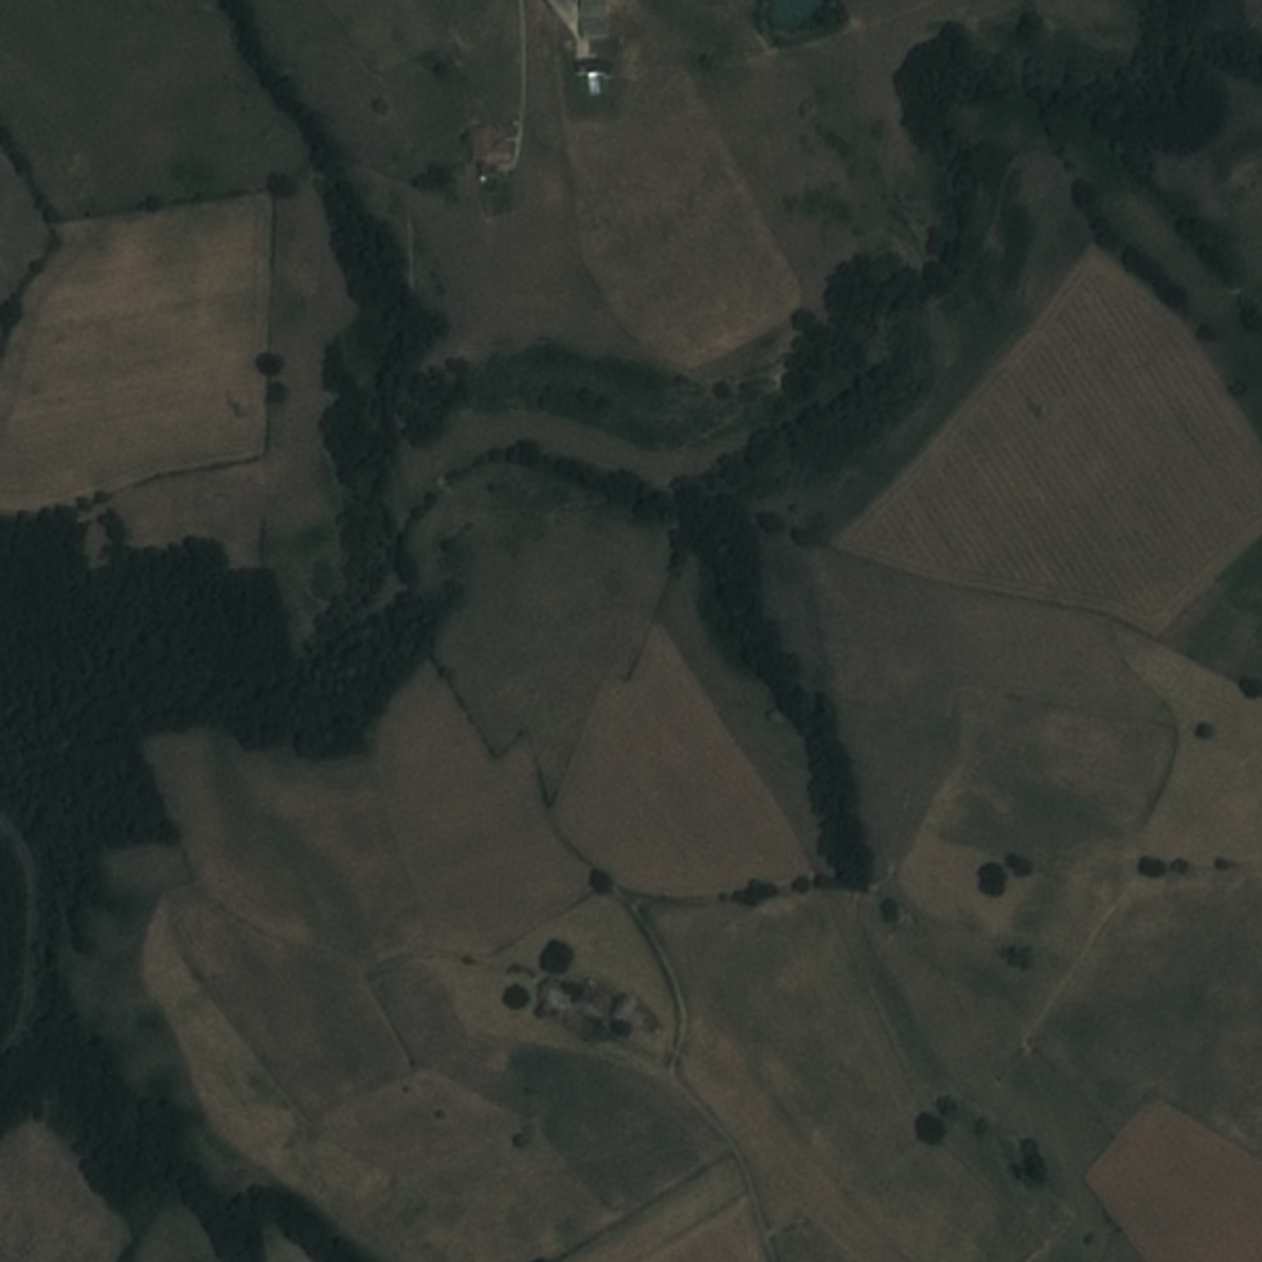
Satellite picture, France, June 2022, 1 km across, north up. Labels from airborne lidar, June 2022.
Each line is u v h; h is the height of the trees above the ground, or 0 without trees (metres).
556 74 0
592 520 0
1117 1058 0
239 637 19
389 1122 0
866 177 0
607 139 0
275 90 17
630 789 0
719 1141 0
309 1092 0
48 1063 15
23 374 0
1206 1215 0
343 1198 0
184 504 0
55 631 13
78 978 0
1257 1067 0
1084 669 0
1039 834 0
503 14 0
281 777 0
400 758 0
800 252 0
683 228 0
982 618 0
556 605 0
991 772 0
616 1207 0
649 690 0
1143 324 0
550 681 0
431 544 0
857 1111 0
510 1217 0
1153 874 12
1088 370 0
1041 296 0
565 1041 0
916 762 0
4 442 0
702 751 0
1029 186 0
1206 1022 0
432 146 0
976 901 0
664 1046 0
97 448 0
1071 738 0
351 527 12
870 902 0
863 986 0
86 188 0
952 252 16
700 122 0
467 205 0
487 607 0
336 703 17
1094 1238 7
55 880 8
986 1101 0
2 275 0
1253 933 0
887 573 0
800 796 0
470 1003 0
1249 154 0
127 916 0
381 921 0
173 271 0
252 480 0
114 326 0
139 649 19
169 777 0
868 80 0
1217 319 0
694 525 14
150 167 0
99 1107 17
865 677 0
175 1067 0
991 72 6
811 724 15
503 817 0
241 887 0
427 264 0
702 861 0
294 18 0
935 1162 0
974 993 0
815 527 0
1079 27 0
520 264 0
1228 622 0
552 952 15
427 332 11
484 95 0
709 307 0
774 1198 0
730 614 12
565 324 0
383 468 17
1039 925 0
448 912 0
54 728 8
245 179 0
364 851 0
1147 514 0
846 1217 0
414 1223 0
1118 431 0
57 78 0
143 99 0
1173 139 13
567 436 0
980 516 0
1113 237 10
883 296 18
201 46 0
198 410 0
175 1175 17
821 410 13
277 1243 0
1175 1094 0
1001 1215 0
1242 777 0
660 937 0
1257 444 0
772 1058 0
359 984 0
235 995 0
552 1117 0
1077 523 0
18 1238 0
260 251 0
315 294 0
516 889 0
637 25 0
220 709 18
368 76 0
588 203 0
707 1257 0
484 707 0
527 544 0
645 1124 0
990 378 0
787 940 0
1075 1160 0
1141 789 0
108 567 6
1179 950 0
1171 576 0
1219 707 0
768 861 0
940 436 0
